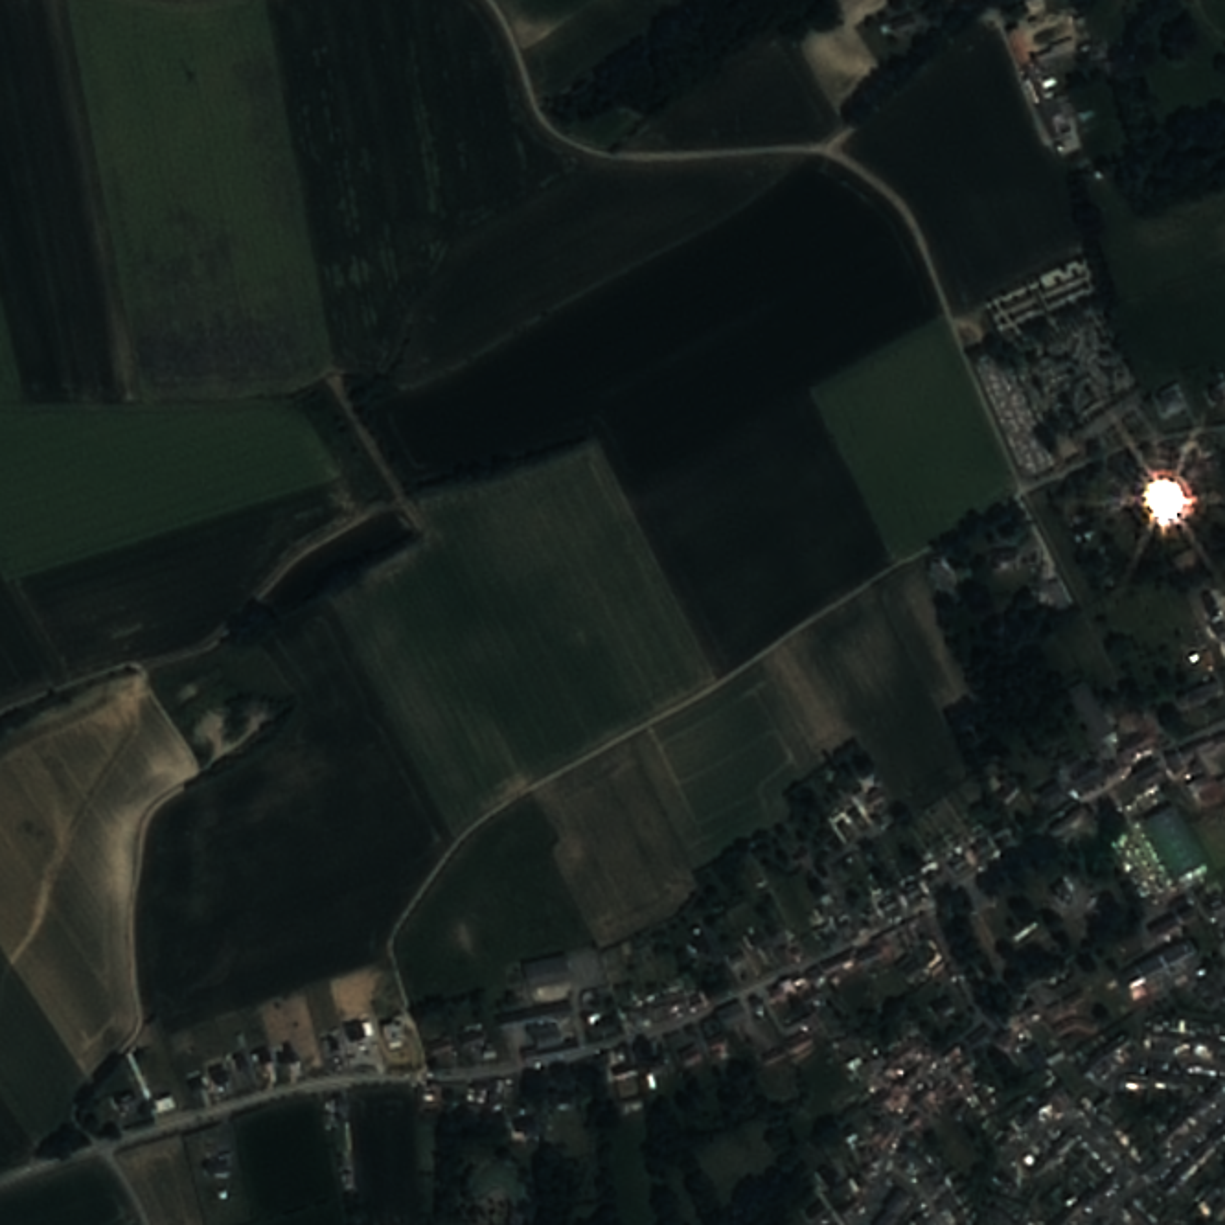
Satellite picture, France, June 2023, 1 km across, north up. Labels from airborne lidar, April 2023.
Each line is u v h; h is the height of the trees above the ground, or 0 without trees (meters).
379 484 0
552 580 0
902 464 0
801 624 0
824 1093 0
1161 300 0
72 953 0
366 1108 0
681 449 0
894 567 0
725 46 18
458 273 0
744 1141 0
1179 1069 13
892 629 0
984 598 24
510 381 0
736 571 0
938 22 8
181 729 0
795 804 12
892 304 0
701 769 0
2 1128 0
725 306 0
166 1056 0
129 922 0
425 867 0
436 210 0
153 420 0
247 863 0
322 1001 0
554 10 0
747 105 0
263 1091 0
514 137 0
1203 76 0
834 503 0
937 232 0
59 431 0
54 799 0
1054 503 13
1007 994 21
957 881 0
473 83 0
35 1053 0
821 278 0
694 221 0
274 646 0
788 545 0
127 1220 0
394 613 0
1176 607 0
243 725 0
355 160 0
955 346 0
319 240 0
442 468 0
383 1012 0
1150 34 21
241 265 0
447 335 0
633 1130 0
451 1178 16
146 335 0
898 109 0
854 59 0
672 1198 15
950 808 0
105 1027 0
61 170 0
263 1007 0
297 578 0
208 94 0
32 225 0
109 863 0
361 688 0
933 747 0
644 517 0
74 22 0
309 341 0
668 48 25
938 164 0
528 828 0
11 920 0
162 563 0
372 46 0
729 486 0
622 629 0
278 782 0
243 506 0
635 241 0
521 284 0
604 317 0
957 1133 0
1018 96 0
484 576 0
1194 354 0
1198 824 0
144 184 0
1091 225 17
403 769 0
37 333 0
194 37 0
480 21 0
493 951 0
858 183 0
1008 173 0
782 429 0
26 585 0
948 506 0
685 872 0
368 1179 0
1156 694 6
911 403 0
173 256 0
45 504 0
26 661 0
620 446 0
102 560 0
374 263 0
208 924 0
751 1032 0
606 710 0
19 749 0
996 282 0
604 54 0
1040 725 12
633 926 0
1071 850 7
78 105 0
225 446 0
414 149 0
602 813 0
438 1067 8
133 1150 0
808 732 0
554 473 0
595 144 0
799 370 0
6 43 0
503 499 0
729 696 0
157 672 0
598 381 0
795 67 0
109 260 0
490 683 0
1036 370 0
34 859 0
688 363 0
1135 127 21
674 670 0
